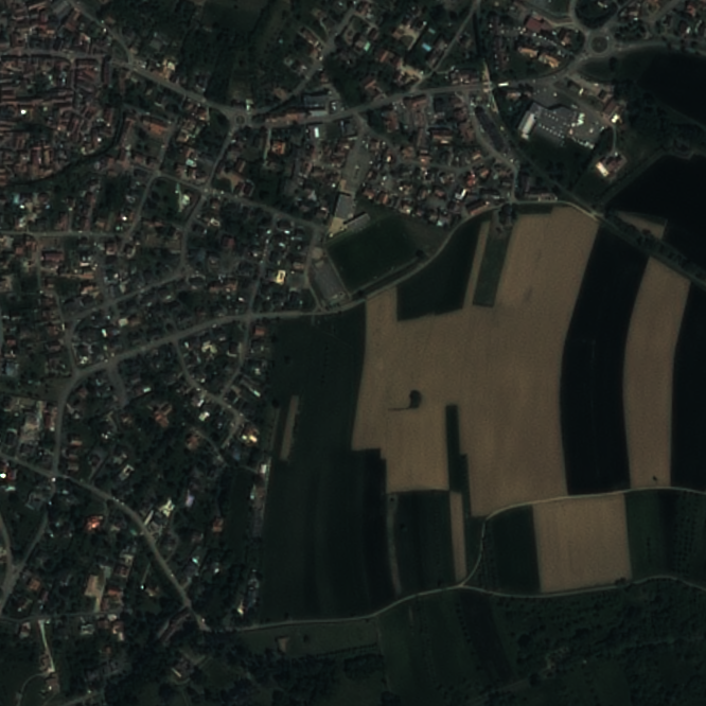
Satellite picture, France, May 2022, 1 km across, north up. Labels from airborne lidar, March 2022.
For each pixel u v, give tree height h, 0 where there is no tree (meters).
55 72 7
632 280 0
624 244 0
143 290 0
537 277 0
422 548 0
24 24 0
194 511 0
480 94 0
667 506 0
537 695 0
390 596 0
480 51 9
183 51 10
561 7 0
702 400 0
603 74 0
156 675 16
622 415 0
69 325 8
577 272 0
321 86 0
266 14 6
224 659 13
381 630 0
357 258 0
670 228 0
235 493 0
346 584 0
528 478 0
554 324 0
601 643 6
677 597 8
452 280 0
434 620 0
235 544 0
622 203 0
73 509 10
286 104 7
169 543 0
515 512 0
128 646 6
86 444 0
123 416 0
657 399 0
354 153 0
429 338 0
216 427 7
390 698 11
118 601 0
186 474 11
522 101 9
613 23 0
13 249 0
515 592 0
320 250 0
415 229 0
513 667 0
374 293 0
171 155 8
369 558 0
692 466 0
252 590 0
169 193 0
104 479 10
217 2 0
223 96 7
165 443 15
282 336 0
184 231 0
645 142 0
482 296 0
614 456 0
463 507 0
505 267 0
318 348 0
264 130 9
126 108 0
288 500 0
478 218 0
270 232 0
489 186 0
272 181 0
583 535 0
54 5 0
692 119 0
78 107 0
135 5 12
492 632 0
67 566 15
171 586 10
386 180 0
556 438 0
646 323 0
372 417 0
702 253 0
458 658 0
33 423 0
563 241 0
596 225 0
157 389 7
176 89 0
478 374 0
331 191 0
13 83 0
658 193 0
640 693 7
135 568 9
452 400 0
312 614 0
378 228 0
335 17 11
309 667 20
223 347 0
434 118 0
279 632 0
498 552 0
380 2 8
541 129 0
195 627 21
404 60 10
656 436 0
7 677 0
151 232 0
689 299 0
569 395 0
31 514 0
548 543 0
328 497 0
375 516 0
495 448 0
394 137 0
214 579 9
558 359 0
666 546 0
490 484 0
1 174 0
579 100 0
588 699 0
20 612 0
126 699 18
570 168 0
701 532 0
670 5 0
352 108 0
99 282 0
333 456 0
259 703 0
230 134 0
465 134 0
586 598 0
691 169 0
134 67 0
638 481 0
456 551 0
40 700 0
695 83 0
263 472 0
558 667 11
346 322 0
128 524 13
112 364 0
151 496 0
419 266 0
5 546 0
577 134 0
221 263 0
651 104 17
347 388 0
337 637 0
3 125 0
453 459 0
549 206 0
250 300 0
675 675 0
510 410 0
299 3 15
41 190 0
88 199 0
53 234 0
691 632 8
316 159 0
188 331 0
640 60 0
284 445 0
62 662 0
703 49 0
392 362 0
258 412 8
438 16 20
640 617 7
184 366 0
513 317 0
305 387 0
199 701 9
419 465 0
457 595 0
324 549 0
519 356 0
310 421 0
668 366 0
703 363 0
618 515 0
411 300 0
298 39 10
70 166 7
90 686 15
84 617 0
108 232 0
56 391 0
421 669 0
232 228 13
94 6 0
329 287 0
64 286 0
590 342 0
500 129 0
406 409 0
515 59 0
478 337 0
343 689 0
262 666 17
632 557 0
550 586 0
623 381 0
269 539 0
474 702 0
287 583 0
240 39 6
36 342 0
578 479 0
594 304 0
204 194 0
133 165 0
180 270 0
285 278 0
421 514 0
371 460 0
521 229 0
